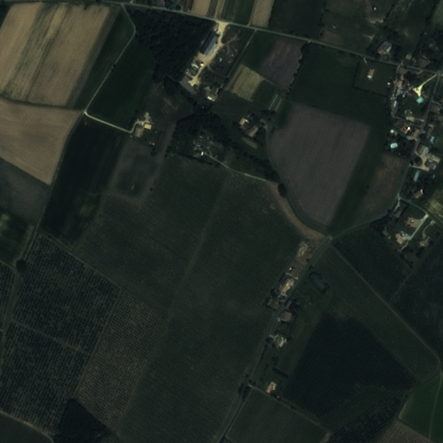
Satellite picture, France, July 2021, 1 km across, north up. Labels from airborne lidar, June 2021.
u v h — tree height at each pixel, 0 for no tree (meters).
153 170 0
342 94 0
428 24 6
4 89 0
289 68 0
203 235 0
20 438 0
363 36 0
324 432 0
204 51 0
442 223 0
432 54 15
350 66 0
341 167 0
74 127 0
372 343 5
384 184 0
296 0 0
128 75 0
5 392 6
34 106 0
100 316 6
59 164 0
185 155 6
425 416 0
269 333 0
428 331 5
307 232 0
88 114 0
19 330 6
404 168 0
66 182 0
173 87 22
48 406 5
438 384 0
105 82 0
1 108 0
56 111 0
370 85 0
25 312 7
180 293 0
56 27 0
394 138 11
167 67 21
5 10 12
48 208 0
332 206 0
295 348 0
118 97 0
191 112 0
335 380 6
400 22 0
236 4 0
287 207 0
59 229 0
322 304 0
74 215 0
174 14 8
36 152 0
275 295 14
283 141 0
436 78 0
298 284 0
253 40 0
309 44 7
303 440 0
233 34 0
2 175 0
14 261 0
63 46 0
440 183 0
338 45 0
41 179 0
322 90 0
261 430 0
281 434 0
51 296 6
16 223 0
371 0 0
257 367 0
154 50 20
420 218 0
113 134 0
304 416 0
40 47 0
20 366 6
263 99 0
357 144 0
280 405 0
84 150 0
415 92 0
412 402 0
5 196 0
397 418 0
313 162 0
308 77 0
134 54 0
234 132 0
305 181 0
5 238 0
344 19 0
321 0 0
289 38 0
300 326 0
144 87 0
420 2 0
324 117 0
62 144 0
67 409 12
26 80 0
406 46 0
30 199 0
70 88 0
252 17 0
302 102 0
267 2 0
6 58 0
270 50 0
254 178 0
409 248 8
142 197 0
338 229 0
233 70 0
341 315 0
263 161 8
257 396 0
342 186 0
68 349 7
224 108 0
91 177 0
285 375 10
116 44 0
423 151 0
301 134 0
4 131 0
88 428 14
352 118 0
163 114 0
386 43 0
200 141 0
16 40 0
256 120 6
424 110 9
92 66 0
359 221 0
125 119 0
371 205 0
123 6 0
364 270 6
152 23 14
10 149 0
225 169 0
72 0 0
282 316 0
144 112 0
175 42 21
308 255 0
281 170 0
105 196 0
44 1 0
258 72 0
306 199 0
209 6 0
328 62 0
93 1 0
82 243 0
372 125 0
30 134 0
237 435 0
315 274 7
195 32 14
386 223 10
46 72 0
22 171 0
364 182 0
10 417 0
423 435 0
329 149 0
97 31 0
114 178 0
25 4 0
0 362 0
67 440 15
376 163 0
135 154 0
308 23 0
